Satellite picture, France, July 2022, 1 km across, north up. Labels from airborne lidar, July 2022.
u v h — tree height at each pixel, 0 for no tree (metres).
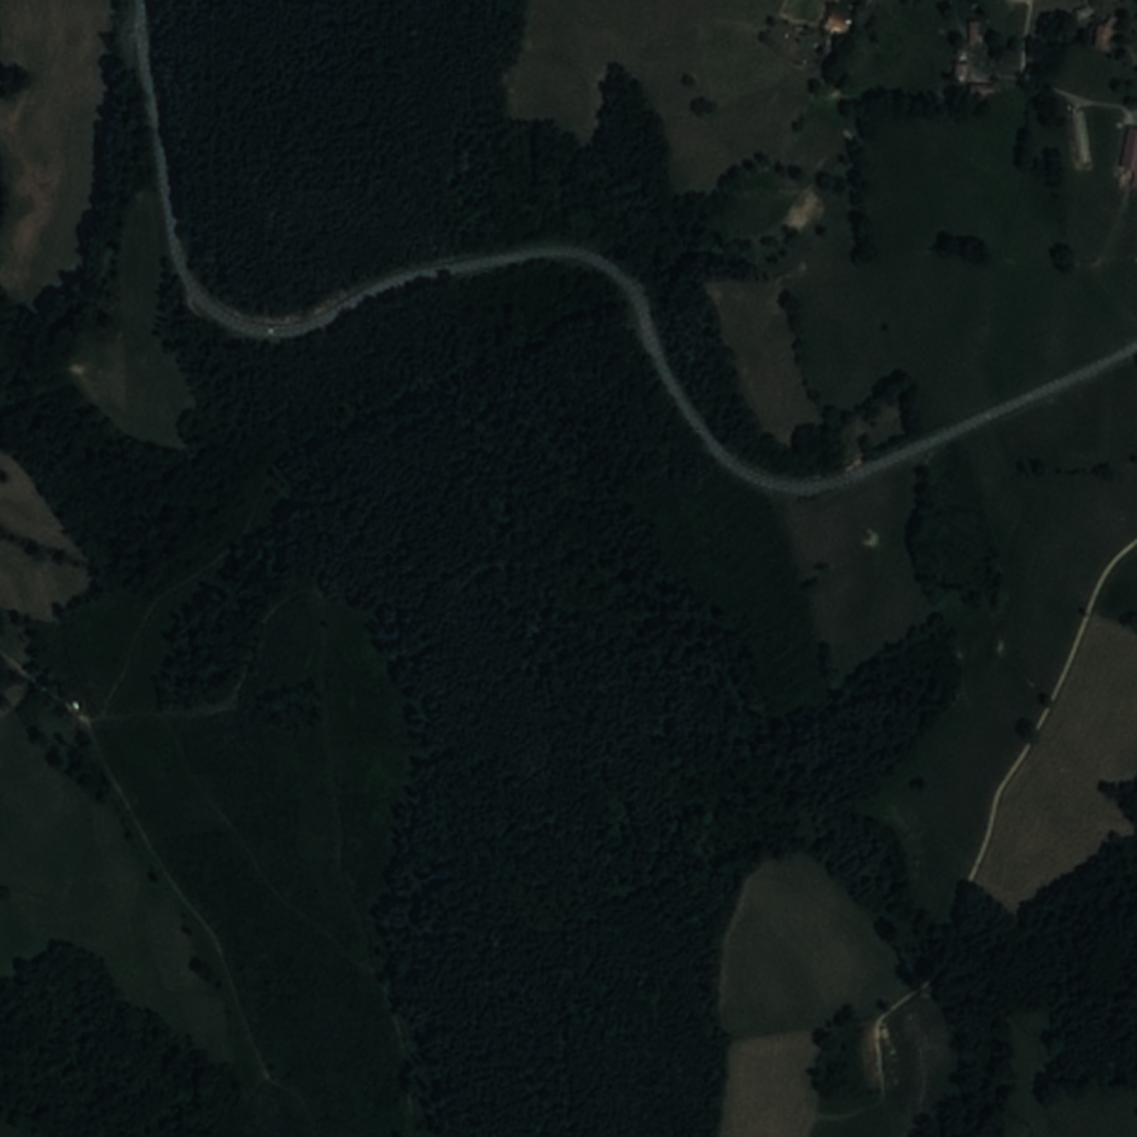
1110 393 0
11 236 0
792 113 0
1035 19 0
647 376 24
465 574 23
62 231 0
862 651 0
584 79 0
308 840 0
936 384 0
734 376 19
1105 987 22
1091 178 0
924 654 14
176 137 20
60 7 0
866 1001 0
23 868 0
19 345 28
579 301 11
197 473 21
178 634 11
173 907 0
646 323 0
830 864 11
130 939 0
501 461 18
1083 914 14
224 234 27
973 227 0
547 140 22
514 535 16
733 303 0
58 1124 13
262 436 21
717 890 25
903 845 20
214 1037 0
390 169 19
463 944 22
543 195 13
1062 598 0
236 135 19
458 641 18
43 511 0
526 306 12
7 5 0
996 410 0
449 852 17
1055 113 19
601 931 22
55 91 0
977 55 0
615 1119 22
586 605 24
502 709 23
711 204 19
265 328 0
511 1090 21
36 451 21
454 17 19
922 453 0
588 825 21
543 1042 21
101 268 17
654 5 0
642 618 6
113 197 31
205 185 26
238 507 8
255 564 12
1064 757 0
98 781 6
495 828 17
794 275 0
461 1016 20
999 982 15
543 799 21
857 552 0
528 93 0
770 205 0
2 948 0
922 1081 0
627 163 17
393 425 19
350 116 26
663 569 28
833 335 0
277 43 21
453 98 17
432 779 16
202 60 17
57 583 0
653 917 23
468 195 7
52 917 0
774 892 0
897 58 0
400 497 23
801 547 0
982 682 0
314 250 23
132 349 0
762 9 0
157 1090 14
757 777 9
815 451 17
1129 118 0
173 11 20
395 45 26
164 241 0
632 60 0
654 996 26
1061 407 0
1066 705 0
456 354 29
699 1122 23
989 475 0
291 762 0
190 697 16
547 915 20
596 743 24
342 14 26
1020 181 0
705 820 28
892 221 0
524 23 11
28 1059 8
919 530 23
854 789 31
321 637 0
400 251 19
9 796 0
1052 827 0
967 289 0
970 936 18
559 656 15
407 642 23
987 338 0
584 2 0
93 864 0
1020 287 0
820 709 6
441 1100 23
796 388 0
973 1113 14
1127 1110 0
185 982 0
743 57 0
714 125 0
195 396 9
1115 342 0
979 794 0
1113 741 0
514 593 18
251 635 10
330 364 21
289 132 25
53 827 0
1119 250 0
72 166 0
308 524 22
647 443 26
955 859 0
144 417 0
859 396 0
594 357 24
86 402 6
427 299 20
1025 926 21
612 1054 21
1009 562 0
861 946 0
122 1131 14
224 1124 6
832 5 6
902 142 0
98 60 0
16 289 0
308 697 17
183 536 19
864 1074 0
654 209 13
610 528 24
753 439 19
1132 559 0
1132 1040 22
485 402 15
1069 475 6
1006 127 0
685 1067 25
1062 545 0
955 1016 16
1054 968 17
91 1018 15
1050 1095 26
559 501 14
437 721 21
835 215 0
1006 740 0
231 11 27
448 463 17
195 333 15
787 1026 0
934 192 0
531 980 23
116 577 24
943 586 7
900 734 26
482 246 9
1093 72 0
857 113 20
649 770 17
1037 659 0
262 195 18
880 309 0
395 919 25
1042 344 0
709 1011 21
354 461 23
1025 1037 0
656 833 21
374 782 0
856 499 0
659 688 28
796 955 0
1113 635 0
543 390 15
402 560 24
